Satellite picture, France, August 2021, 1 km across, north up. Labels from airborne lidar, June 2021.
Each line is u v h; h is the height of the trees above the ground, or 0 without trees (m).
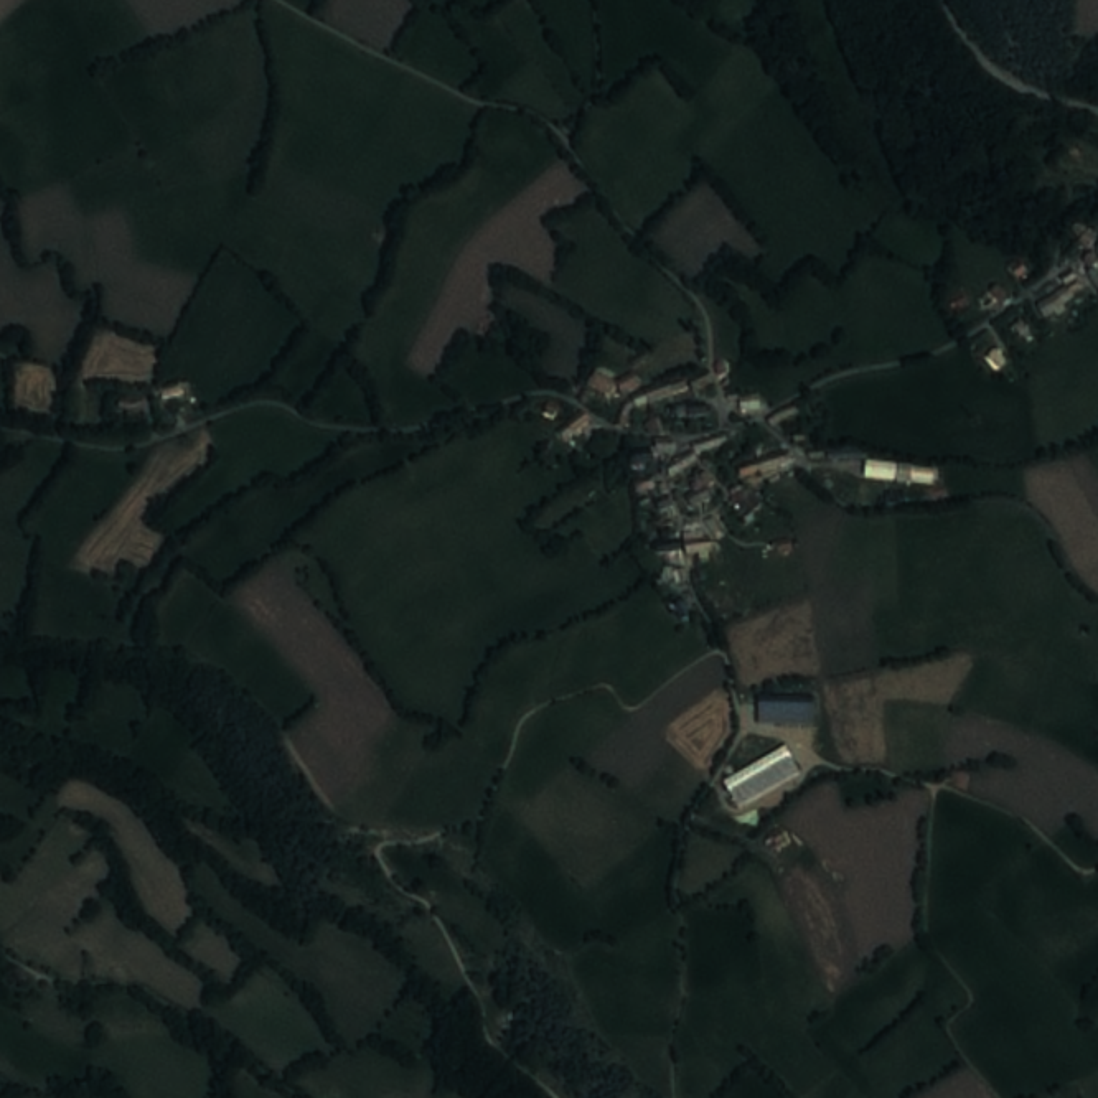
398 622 0
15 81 0
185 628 0
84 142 0
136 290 0
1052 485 0
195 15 0
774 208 0
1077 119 19
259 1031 0
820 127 19
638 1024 0
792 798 9
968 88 25
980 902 0
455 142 0
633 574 0
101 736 0
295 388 0
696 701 0
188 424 0
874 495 0
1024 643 0
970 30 16
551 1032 11
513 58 0
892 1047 0
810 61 11
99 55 0
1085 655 0
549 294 13
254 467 0
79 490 0
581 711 0
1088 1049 0
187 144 0
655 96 0
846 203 0
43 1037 0
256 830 19
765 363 15
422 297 0
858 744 0
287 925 11
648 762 0
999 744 0
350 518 0
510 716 0
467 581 0
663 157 0
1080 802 0
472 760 0
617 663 0
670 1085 0
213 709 15
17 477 0
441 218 0
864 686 0
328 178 0
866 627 0
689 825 9
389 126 0
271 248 0
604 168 0
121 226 0
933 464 6
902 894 0
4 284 0
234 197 0
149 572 9
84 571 0
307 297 0
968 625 0
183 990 0
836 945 0
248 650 0
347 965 0
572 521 8
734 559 0
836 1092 0
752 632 0
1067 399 0
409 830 0
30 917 0
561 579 0
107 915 0
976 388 0
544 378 14
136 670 19
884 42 19
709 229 0
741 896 0
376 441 7
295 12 0
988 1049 0
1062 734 0
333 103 0
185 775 0
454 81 0
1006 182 21
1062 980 0
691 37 0
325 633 0
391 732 0
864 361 0
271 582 0
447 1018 22
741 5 0
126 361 0
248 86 0
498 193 0
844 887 0
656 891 0
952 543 0
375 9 0
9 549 0
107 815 0
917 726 0
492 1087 21
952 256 8
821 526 0
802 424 8
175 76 0
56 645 14
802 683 9
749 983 0
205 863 9
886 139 20
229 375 0
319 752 0
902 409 0
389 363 0
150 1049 0
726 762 11
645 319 0
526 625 0
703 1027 0
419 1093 0
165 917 0
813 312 0
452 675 0
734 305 18
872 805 14
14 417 16
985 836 0
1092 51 15
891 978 0
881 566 0
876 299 0
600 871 0
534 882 0
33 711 13
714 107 0
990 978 0
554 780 0
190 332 0
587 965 0
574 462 8
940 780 13
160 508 11
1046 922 0
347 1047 11
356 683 0
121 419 6
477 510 0
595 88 6
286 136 0
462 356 14
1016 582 0
